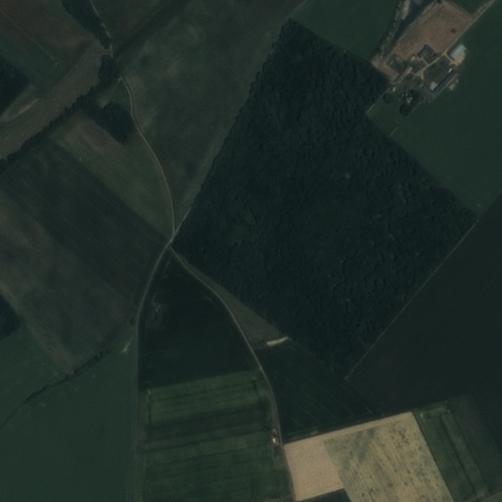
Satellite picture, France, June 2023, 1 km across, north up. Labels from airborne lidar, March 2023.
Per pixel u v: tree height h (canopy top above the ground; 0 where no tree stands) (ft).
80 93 0
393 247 80
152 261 0
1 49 0
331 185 81
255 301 63
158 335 0
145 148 0
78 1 62
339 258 75
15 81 61
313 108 46
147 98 0
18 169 0
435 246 69
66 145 0
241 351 0
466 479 0
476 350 0
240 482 0
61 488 0
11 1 0
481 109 0
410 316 0
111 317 0
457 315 0
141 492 0
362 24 0
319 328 69
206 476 0
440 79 0
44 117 0
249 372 0
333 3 0
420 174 64
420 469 0
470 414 0
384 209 72
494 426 0
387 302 81
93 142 0
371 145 74
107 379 0
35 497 0
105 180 0
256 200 93
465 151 0
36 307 0
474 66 0
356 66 24
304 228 74
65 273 0
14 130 0
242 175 71
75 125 0
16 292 0
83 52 0
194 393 0
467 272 0
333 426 0
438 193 73
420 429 0
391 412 0
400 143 0
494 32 0
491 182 0
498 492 0
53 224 0
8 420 0
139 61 0
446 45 0
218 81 0
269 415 0
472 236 0
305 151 80
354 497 0
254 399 0
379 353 0
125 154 0
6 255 0
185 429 0
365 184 72
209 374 0
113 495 0
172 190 0
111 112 50
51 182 0
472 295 0
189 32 0
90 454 0
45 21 0
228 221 56
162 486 0
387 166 64
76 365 0
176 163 0
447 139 0
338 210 77
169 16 0
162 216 0
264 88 66
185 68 0
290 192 71
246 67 0
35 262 0
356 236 79
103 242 0
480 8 0
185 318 0
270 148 63
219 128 0
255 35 0
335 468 0
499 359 0
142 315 0
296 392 0
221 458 0
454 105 0
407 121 0
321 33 0
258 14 0
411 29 0
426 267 67
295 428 0
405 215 72
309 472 0
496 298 0
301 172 65
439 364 0
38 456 0
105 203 0
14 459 0
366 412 0
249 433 0
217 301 0
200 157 0
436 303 0
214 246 73
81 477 0
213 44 0
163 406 0
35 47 0
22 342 0
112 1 0
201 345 0
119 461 0
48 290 0
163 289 0
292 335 48
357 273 84
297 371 0
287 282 77
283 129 77
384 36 0
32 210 0
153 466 0
